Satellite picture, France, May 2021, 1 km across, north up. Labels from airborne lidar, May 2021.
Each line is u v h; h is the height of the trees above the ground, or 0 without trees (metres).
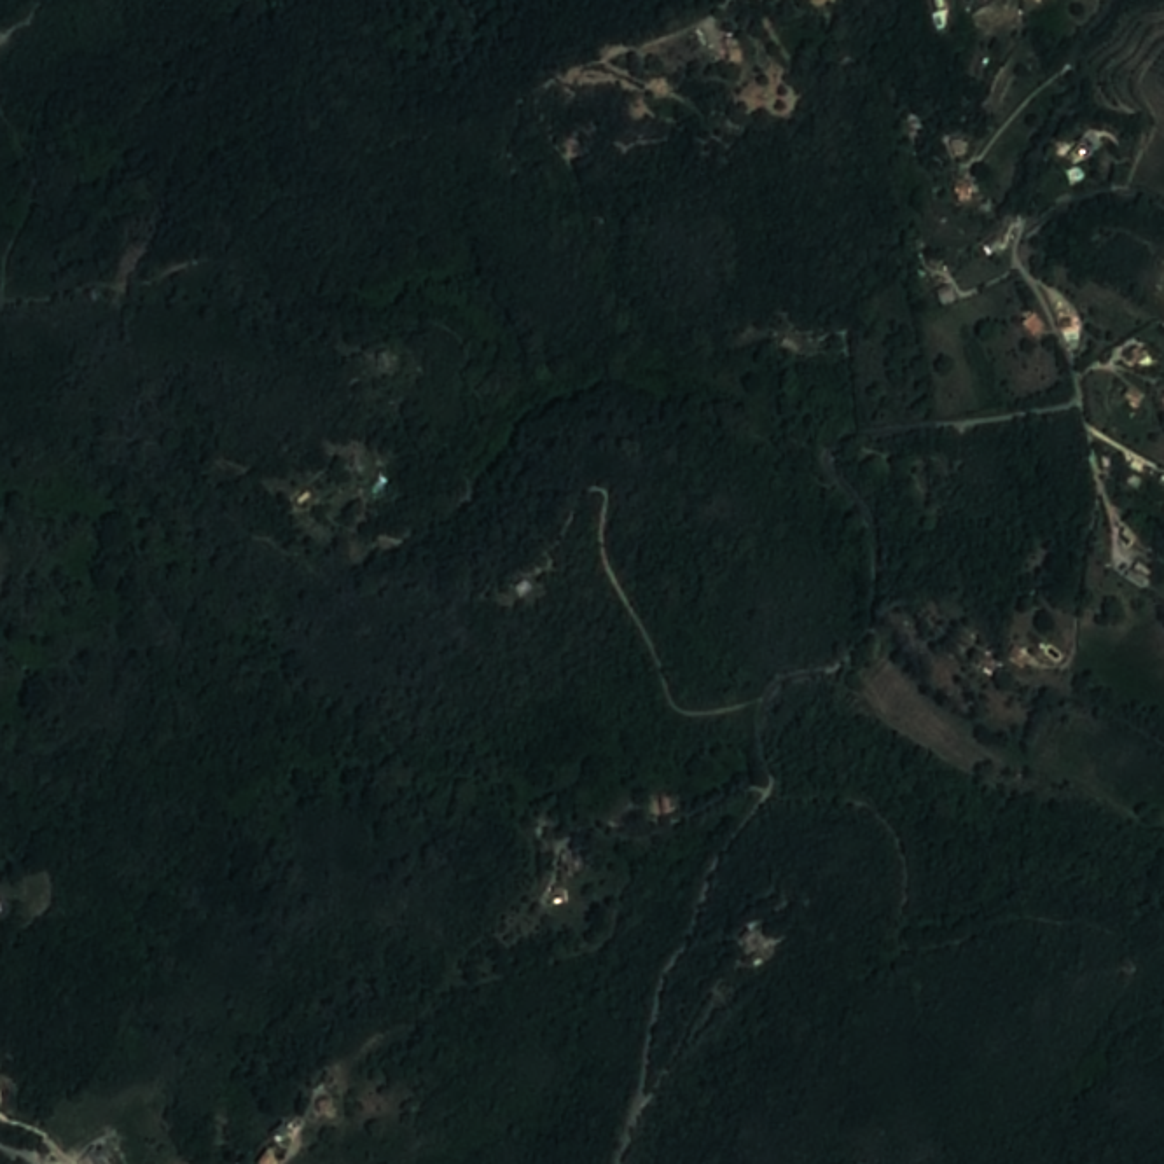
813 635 5
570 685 7
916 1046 7
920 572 8
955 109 8
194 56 19
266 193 7
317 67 11
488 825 9
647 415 8
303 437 10
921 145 9
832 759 12
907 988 8
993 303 0
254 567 8
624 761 9
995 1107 6
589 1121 12
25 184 10
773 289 11
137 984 15
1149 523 13
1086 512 7
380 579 15
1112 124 9
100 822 10
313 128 11
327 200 10
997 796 8
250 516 6
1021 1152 7
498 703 6
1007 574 13
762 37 8
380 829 14
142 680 9
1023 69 8
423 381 7
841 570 9
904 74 7
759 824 8
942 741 0
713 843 11
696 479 11
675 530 9
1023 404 6
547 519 9
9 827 13
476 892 8
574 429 16
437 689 10
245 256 9
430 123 9
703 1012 7
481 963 9
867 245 8
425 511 15
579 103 9
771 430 5
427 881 6
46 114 15
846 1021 12
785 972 7
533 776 17
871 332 10
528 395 6
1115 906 12
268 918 8
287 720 18
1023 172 7
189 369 11
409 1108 9
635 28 9
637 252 12
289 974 10
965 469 8
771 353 18
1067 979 6
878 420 8
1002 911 10
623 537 13
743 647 6
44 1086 6
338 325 16
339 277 15
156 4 12
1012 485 7
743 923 15
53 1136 0
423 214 13
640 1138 8
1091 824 7
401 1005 8
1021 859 9
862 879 10
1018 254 0
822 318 10
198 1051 6
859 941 9
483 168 9
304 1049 11
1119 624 12
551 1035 9
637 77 12
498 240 8
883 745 9
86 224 12
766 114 12
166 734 16
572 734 17
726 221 15
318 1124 0
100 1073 10
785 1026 15
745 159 13
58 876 6
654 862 6
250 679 14
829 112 13
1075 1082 8
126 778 12
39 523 12
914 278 12
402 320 10
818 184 8
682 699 6
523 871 8
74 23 6
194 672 15
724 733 11
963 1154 6
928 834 16
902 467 13
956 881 11
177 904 13
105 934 18
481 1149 6
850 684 13
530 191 6
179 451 9
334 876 7
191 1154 7
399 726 15
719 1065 12
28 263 11
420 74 19
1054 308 0
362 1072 7
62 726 14
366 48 18
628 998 9
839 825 10
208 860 15
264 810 10
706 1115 7
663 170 14
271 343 11
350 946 8
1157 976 6
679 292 10
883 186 6
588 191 14
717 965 9
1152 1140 8
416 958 13
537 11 15
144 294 12
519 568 8
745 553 9
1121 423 0
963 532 8
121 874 6
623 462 5
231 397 6
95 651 13
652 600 8
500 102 11
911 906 8
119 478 14
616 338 11
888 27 8
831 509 11
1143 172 0
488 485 19
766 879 6
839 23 14
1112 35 8
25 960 16
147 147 16
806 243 8
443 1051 11
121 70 17
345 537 7
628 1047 6
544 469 13
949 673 0
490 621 8
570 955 11
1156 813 14
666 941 7
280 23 19
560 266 8
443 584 12
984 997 6
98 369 7
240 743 16
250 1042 16
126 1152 0
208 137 10
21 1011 14
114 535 18
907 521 12
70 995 12
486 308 7
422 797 14
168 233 11
